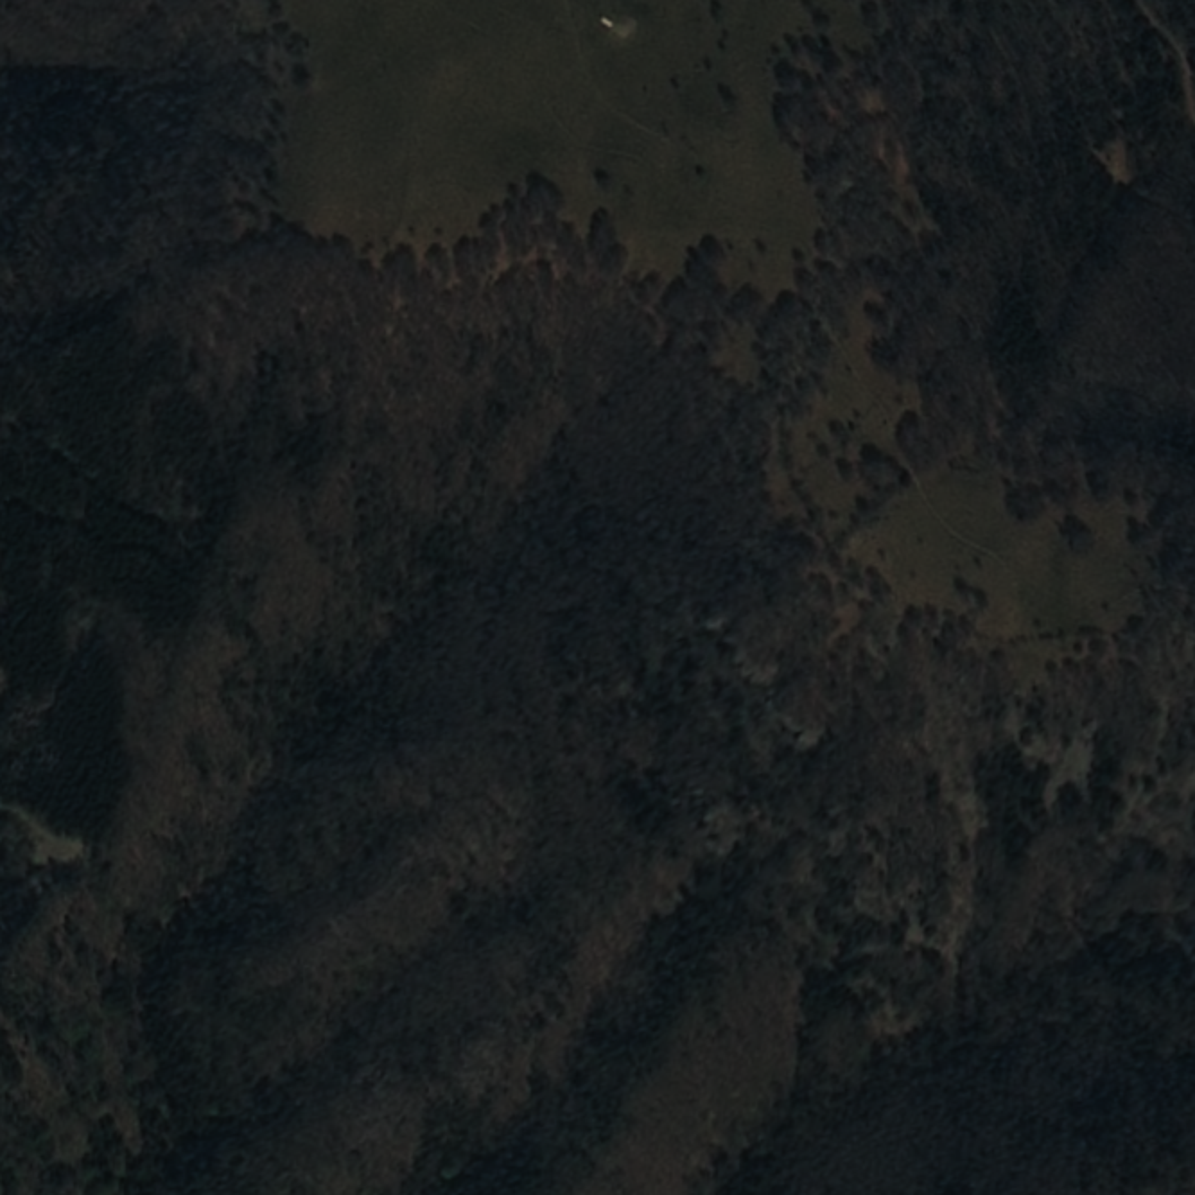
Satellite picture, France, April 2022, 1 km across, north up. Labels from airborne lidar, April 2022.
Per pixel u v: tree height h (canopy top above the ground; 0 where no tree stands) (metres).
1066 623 0
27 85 20
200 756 16
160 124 26
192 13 13
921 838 26
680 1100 34
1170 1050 32
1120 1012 20
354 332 24
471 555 19
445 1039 21
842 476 9
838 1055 28
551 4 0
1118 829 6
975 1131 29
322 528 25
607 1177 19
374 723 25
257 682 21
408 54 0
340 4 0
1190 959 8
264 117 9
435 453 22
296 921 21
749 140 0
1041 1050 30
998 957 28
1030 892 29
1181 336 16
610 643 19
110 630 22
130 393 19
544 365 21
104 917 35
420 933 26
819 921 23
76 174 29
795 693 16
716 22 6
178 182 28
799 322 15
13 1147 21
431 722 18
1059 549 0
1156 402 16
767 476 7
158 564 18
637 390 16
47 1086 8
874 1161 31
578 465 18
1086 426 14
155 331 15
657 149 0
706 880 33
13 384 23
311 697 17
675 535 26
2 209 32
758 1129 29
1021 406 20
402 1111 20
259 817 23
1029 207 25
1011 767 20
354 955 17
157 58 26
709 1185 30
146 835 31
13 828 21
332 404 25
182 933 33
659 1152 25
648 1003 15
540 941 16
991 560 0
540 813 17
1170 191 20
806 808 22
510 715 24
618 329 19
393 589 12
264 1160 27
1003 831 26
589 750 23
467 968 21
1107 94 26
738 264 0
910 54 27
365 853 18
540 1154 32
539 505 26
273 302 19
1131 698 16
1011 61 22
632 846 23
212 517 19
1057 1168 26
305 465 26
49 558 20
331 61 0
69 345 20
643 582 26
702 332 10
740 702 27
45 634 22
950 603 0
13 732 25
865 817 16
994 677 14
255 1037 21
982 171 26
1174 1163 23
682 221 0
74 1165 6
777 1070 31
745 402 9
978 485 0
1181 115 16
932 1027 31
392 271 18
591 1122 19
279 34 8
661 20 0
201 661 20
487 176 0
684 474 23
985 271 21
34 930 11
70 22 16
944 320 29
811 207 0
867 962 26
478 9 0
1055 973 22
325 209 0
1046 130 29
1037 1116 30
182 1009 25
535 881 14
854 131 20
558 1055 22
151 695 15
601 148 0
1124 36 22
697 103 0
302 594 23
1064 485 8
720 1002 24
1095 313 16
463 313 20
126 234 28
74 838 7
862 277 24
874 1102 35
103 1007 18
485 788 17
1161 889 28
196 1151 23
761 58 0
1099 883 28
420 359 25
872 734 27
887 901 7
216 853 27
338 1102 28
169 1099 22
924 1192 29
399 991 27
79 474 22
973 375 31
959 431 21
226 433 19
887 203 21
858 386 0
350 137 0
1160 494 11
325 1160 25
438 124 0
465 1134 12
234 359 15
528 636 26
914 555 0
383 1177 23
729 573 19
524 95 0
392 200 0
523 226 15
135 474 19
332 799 17
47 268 9
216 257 13
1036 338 19
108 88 32
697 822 11
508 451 19
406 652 25
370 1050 30
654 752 25
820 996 30
